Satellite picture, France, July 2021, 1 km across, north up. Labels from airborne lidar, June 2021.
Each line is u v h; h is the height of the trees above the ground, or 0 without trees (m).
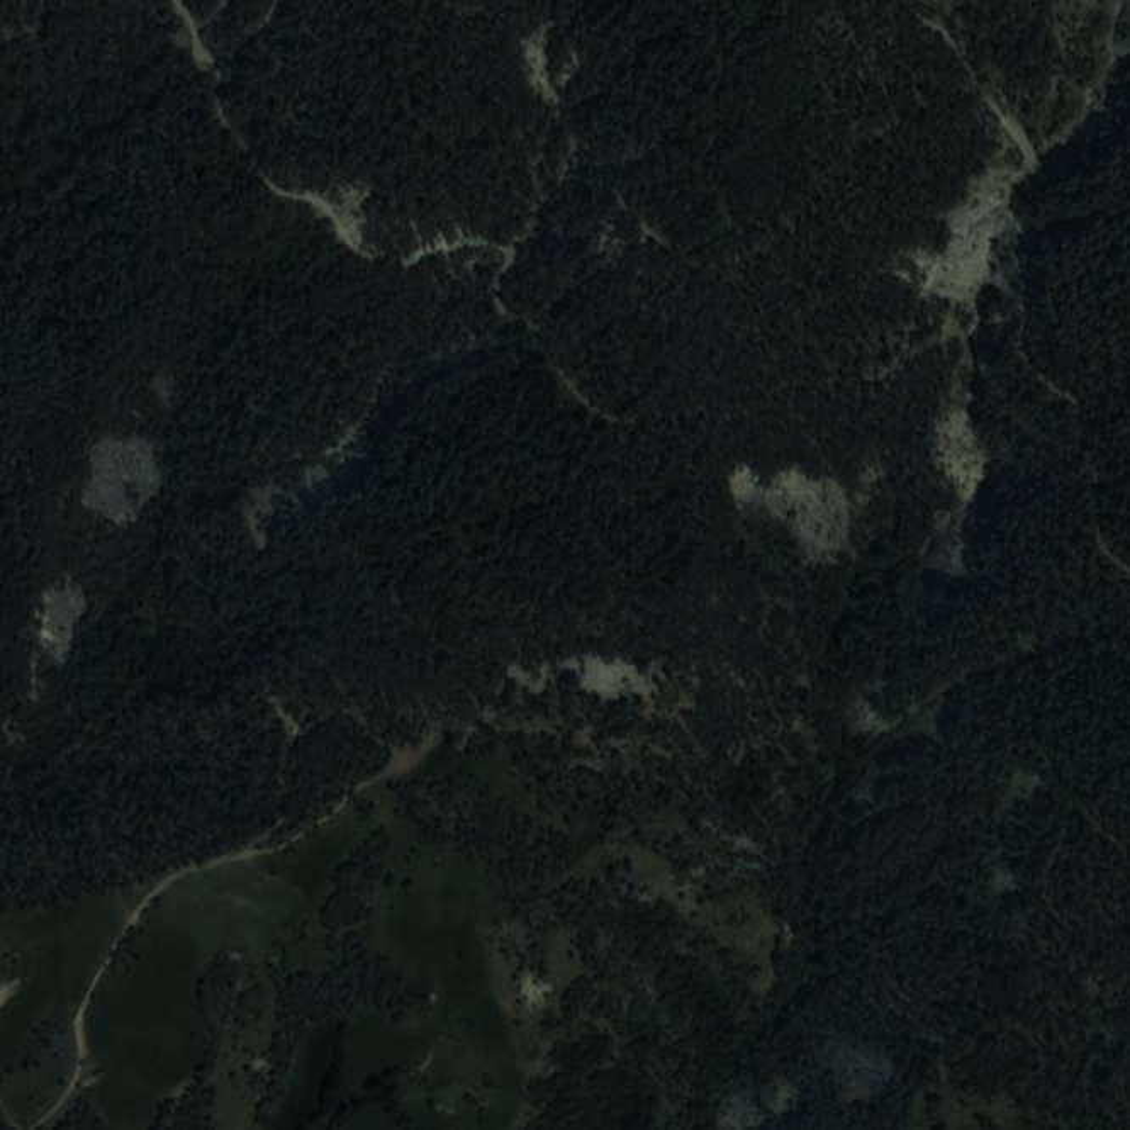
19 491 11
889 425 28
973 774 15
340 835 0
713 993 6
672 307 19
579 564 20
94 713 14
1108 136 11
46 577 14
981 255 0
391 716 9
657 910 12
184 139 12
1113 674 15
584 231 13
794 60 13
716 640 17
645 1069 7
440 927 0
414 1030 0
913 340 12
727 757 18
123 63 17
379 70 14
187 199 10
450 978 0
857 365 18
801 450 19
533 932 7
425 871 0
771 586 16
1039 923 21
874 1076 0
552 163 14
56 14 18
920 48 24
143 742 26
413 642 13
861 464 9
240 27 19
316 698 24
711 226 7
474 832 11
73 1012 0
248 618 12
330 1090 19
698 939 8
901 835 20
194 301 17
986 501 17
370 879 6
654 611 20
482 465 27
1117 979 12
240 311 9
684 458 24
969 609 25
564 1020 8
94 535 15
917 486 26
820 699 11
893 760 23
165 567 12
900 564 11
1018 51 24
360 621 26
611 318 22
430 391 14
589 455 18
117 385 16
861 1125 14
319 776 10
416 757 0
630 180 14
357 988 14
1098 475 7
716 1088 8
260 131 28
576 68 12
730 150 17
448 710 20
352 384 22
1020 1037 14
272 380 16
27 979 0
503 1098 0
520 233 19
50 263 24
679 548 8
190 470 9
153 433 16
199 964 0
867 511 11
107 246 26
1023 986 20
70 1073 0
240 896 0
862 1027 20
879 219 21
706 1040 14
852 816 17
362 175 15
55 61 14
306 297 14
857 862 15
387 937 0
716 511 22
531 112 20
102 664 20
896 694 16
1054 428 20
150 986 0
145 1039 0
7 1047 0
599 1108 9
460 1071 0
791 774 24
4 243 7
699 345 19
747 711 24
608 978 6
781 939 16
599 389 8
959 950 18
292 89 23
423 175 24
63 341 13
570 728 7
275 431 11
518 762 10
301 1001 18
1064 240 27
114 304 23
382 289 25
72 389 10
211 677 13
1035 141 14
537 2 14
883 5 23
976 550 11
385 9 6
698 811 9
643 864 0
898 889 22
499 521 15
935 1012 17
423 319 25
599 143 19
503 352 21
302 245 8
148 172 16
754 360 23
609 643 21
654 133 20
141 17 14
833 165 22
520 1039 0
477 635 20
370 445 10
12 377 14
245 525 14
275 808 8
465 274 7
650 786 8
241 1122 0
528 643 21
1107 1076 23
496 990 0
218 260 9
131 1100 0
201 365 17
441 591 14
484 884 0
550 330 20
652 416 24
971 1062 8
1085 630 27
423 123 21
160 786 11
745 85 16
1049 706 9
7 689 14
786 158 15
